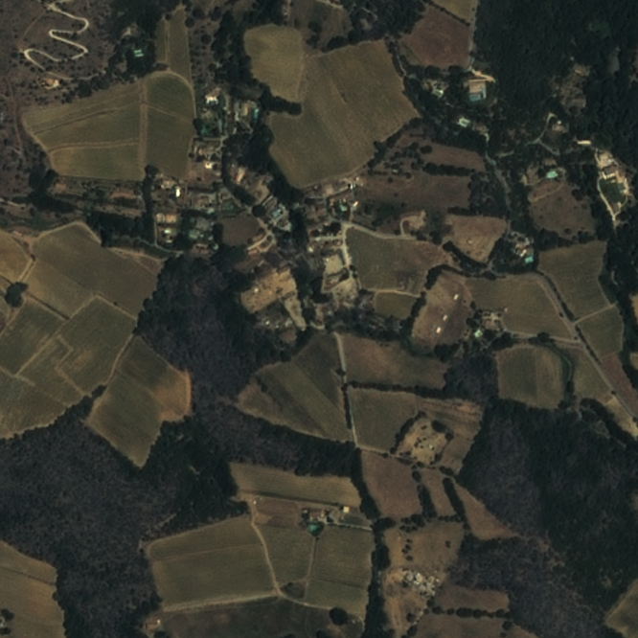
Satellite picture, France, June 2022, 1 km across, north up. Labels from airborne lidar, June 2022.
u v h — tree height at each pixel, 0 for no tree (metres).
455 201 0
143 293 0
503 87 11
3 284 0
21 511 13
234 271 14
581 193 14
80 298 0
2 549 0
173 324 13
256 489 0
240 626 0
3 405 0
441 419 0
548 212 0
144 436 0
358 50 0
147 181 9
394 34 12
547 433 10
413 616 13
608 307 0
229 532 0
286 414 0
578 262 0
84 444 7
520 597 14
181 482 10
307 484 0
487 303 0
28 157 7
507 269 8
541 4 16
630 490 15
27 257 0
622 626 0
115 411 0
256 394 0
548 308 0
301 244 11
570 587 9
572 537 6
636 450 15
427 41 0
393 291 0
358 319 20
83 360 0
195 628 0
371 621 16
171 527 11
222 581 0
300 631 0
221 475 21
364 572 0
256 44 0
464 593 0
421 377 0
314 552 0
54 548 11
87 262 0
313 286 16
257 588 0
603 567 8
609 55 16
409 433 8
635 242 10
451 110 7
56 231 0
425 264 0
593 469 11
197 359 12
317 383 0
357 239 0
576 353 0
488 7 9
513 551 10
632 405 0
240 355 11
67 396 0
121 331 0
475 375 12
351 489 0
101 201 6
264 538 0
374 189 0
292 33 0
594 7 13
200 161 9
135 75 12
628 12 12
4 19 0
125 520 10
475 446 11
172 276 14
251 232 0
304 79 0
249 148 16
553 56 11
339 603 0
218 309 16
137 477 11
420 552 0
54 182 14
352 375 0
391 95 0
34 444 11
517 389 0
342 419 0
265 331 15
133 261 0
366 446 0
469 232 0
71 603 11
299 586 0
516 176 13
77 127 0
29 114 0
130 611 10
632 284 11
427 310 0
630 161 17
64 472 11
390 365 0
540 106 8
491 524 0
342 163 0
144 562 15
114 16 8
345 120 0
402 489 0
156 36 10
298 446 10
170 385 0
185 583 0
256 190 0
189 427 18
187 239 16
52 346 0
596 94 18
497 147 8
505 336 14
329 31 0
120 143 0
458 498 10
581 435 7
